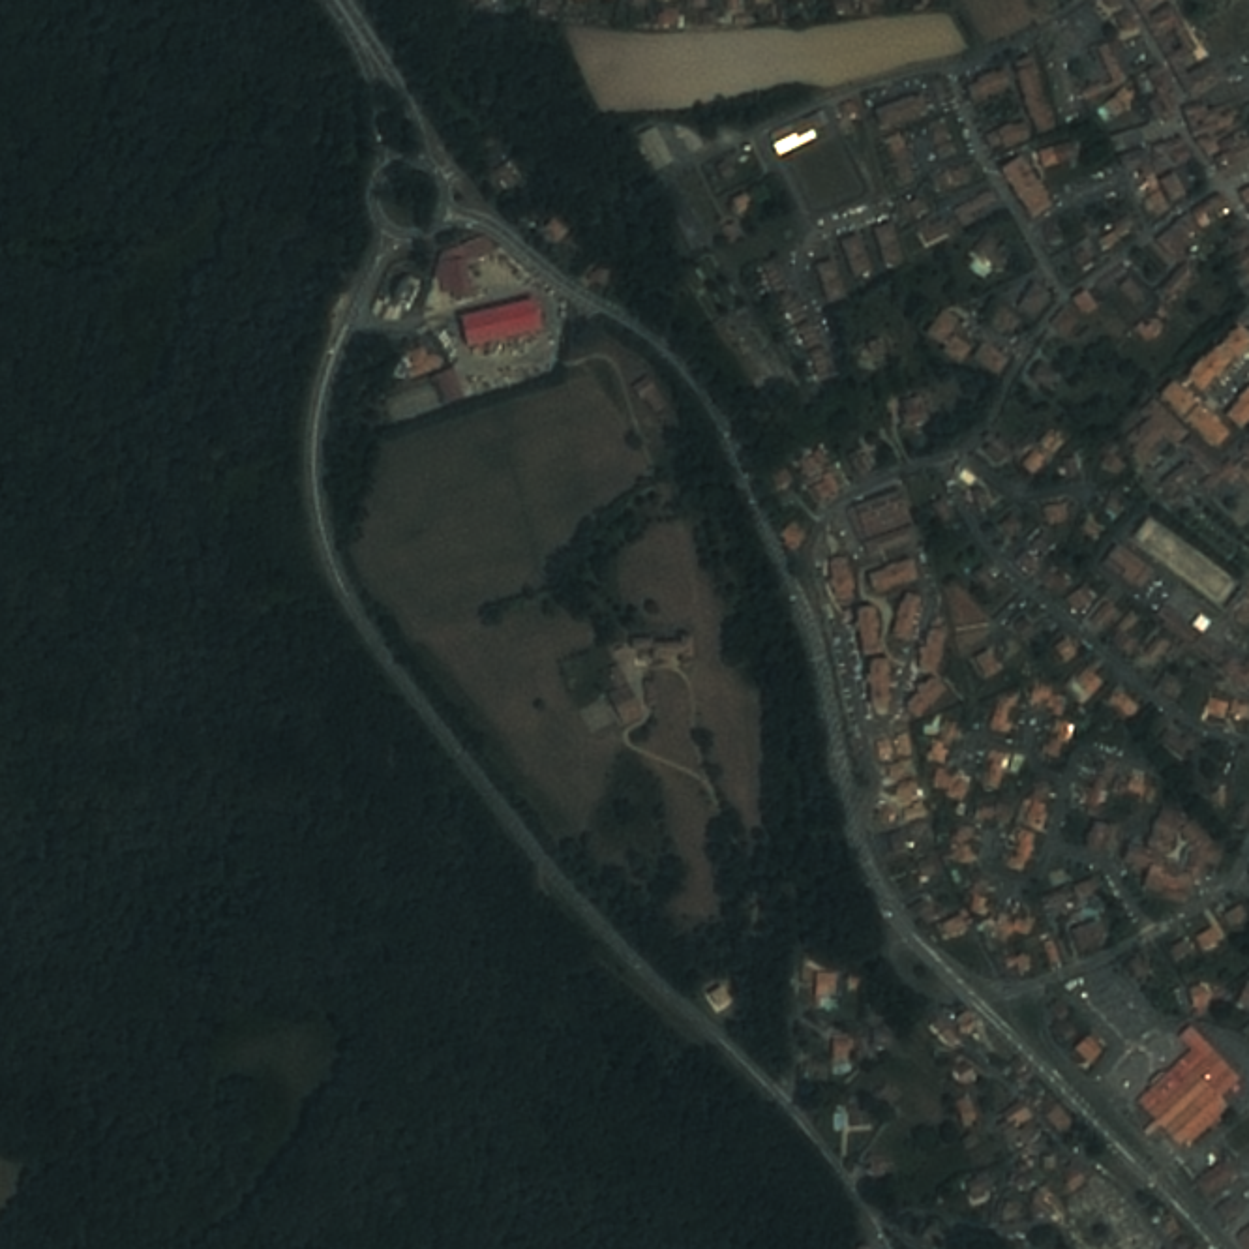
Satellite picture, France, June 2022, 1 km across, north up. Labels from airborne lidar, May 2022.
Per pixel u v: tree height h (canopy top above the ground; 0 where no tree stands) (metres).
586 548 12
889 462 15
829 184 0
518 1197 10
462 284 0
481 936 23
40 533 23
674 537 0
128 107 21
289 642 18
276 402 17
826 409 14
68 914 22
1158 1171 0
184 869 20
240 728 22
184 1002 28
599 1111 24
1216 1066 0
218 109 11
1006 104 6
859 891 24
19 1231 23
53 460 24
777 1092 0
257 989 20
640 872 14
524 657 0
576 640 0
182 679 10
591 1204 14
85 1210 22
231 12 20
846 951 25
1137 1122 0
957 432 17
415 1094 22
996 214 9
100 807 12
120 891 22
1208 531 11
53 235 21
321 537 0
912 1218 9
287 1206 22
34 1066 19
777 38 0
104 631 20
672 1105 28
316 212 18
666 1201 24
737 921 15
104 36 22
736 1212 25
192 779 9
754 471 14
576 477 0
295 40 19
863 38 0
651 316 21
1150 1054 0
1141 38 0
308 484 0
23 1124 16
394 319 0
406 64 18
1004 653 0
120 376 22
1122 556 0
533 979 28
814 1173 20
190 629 10
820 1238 19
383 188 9
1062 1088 0
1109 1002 0
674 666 0
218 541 17
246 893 22
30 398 18
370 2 18
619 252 19
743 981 14
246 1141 24
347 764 22
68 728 26
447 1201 18
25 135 18
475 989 17
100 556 22
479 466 0
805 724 20
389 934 26
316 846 21
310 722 21
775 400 23
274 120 24
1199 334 7
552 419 0
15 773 19
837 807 25
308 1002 23
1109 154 15
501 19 23
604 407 0
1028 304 0
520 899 23
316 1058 0
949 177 0
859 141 0
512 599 6
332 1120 19
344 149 28
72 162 13
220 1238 29
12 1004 19
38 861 28
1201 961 7
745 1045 14
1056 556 11
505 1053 20
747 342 0
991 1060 10
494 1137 19
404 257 0
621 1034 23
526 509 0
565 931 26
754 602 12
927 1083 0
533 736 0
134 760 16
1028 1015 0
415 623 0
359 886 22
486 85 25
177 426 20
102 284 20
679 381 17
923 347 12
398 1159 20
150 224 23
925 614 0
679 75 0
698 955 17
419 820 25
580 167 30
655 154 0
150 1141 14
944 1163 0
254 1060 0
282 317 5
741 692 0
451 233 11
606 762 0
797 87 7
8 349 21
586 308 0
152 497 21
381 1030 24
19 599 18
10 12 24
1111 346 13
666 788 0
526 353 0
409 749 24
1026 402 14
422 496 0
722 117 6
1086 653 14
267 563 7
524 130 25
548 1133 18
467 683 0
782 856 19
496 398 13
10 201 24
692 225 0
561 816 0
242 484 0
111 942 18
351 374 10
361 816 17
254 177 23
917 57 0
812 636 0
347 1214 22
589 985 20
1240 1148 0
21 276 22
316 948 24
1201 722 0
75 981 8
